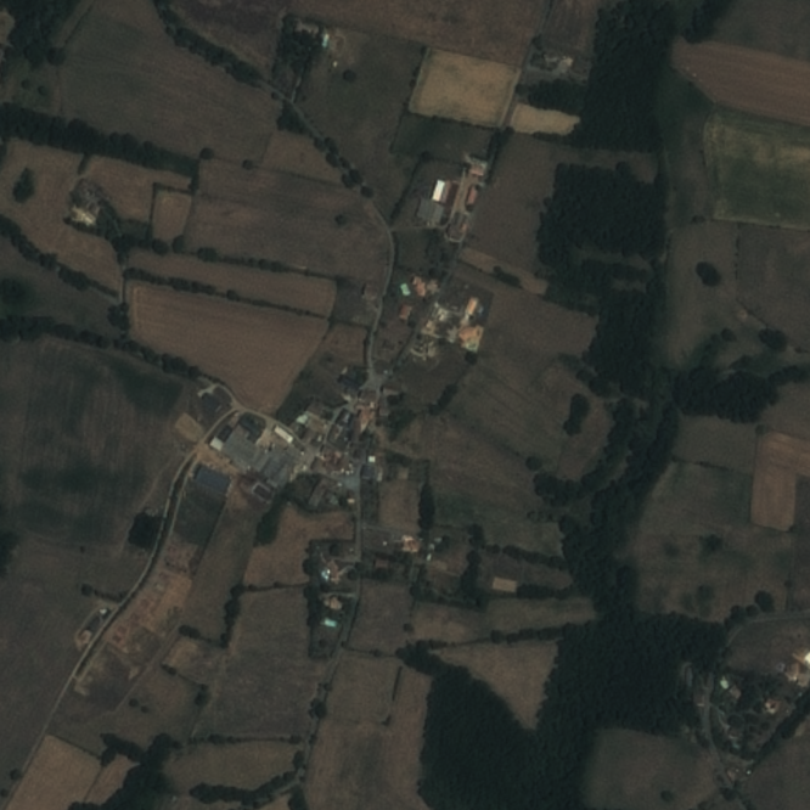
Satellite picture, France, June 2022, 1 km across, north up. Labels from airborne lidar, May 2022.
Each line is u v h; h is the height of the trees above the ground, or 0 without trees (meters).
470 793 12
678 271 0
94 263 0
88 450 0
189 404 0
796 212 0
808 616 0
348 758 0
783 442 0
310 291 0
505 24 0
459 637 0
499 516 0
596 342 11
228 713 0
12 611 0
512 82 0
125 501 0
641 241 13
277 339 0
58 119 13
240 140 0
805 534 0
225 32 0
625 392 14
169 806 0
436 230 7
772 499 0
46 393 0
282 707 0
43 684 0
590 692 17
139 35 0
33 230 0
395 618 0
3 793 10
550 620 0
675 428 13
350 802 0
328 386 0
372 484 9
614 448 16
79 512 0
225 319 0
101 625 0
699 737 6
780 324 0
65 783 0
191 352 0
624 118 13
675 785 0
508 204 0
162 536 5
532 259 0
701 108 0
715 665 11
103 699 0
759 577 0
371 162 0
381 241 0
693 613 0
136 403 0
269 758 0
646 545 0
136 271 14
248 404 0
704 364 6
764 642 0
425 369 0
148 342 0
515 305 0
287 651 0
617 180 16
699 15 13
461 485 0
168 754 14
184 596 0
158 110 0
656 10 18
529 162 0
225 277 0
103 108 0
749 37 0
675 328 0
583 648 15
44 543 0
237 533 0
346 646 8
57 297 0
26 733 0
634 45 21
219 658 0
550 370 0
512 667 0
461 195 0
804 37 0
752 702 17
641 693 15
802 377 19
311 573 13
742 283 0
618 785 0
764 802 0
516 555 15
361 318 0
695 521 0
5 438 0
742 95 0
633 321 10
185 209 0
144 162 7
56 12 28
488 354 0
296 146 0
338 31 0
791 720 11
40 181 0
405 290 0
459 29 0
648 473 17
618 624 22
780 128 0
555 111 8
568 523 17
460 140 0
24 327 13
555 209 15
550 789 23
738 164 0
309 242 0
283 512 0
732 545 0
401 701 0
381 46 0
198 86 0
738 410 8
